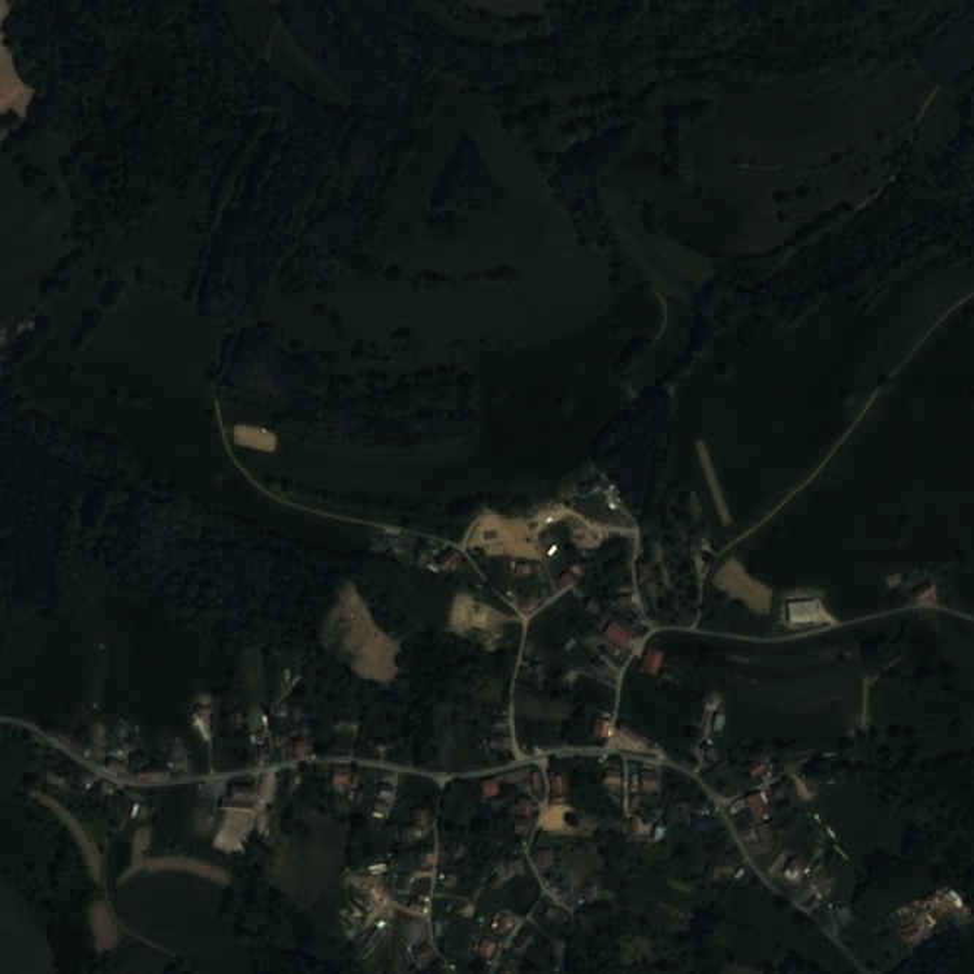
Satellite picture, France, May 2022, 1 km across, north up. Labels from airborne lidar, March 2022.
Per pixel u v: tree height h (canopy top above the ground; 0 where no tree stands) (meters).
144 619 0
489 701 0
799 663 0
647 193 0
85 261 20
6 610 22
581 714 9
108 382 0
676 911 0
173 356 0
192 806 0
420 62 12
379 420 27
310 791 0
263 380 24
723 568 0
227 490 0
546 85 17
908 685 15
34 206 0
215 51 26
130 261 0
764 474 0
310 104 26
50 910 8
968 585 0
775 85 0
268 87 26
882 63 17
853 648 0
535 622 0
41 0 29
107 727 0
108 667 0
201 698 0
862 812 0
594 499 0
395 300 0
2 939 0
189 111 14
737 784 0
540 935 0
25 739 8
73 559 25
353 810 0
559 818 0
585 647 0
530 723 0
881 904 0
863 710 0
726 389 0
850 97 0
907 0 17
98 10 28
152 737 0
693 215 0
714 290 17
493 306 0
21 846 0
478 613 0
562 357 0
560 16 13
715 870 0
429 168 0
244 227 30
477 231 0
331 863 0
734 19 23
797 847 0
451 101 0
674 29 16
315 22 29
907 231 6
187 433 0
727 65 20
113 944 0
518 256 0
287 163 28
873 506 0
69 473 25
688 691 0
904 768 13
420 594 0
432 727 17
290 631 23
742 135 0
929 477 0
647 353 23
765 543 0
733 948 0
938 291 0
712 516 0
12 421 22
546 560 0
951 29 30
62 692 0
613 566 20
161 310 0
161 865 0
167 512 32
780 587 0
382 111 26
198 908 0
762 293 28
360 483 0
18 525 24
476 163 21
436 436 23
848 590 0
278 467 0
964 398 0
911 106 0
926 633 0
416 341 17
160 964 0
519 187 0
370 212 14
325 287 19
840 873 0
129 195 16
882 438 0
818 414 0
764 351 0
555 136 0
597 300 0
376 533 0
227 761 0
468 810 0
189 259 0
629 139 21
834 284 19
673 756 0
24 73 13
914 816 0
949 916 0
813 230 15
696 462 0
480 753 0
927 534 0
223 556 35
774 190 0
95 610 0
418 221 0
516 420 0
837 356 0
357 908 0
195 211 0
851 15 20
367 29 23
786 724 0
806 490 0
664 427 28
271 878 0
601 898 0
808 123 0
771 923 0
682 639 0
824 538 0
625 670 0
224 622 26
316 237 24
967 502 0
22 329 0
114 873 0
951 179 28
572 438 0
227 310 24
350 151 27
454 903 0
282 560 29
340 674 20
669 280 0
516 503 9
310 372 23
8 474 22
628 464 30
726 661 0
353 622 0
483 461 0
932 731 0
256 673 0
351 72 27
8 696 0
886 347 0
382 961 0
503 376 0
